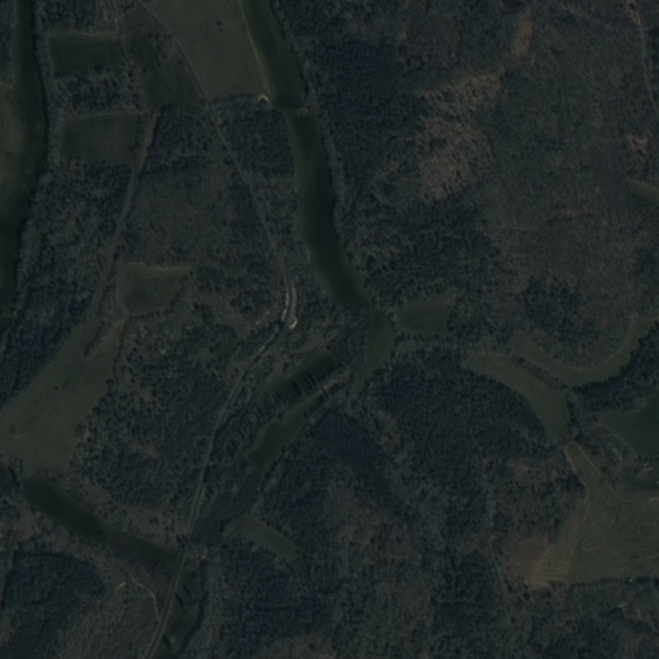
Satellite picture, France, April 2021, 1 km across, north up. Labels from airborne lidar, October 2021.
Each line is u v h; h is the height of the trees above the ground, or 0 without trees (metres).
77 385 0
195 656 16
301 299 12
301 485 15
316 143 0
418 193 19
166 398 13
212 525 8
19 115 0
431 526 15
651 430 0
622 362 0
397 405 13
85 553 7
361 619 11
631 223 13
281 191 15
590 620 13
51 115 17
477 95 16
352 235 21
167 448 10
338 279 0
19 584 17
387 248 16
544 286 10
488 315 9
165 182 13
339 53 15
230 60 0
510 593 12
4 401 13
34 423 0
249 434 16
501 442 11
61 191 9
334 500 8
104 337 15
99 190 11
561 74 17
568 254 15
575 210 11
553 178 23
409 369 8
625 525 0
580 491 15
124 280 0
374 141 11
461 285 12
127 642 12
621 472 0
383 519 8
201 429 13
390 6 18
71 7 9
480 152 17
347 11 15
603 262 18
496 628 6
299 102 0
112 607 11
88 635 11
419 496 10
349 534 8
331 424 13
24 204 0
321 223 0
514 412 13
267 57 0
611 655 7
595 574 0
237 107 20
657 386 13
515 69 20
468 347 15
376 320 0
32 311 16
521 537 6
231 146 12
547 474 13
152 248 12
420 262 15
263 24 0
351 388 8
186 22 0
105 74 13
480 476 10
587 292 14
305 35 23
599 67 19
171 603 0
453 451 12
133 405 11
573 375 0
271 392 0
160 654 0
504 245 12
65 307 13
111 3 10
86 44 0
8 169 0
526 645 13
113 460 6
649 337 7
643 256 8
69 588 17
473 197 20
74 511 0
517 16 20
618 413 9
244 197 17
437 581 14
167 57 15
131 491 12
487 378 7
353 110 13
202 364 15
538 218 17
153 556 0
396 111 7
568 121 20
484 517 11
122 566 7
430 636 7
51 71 9
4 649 11
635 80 13
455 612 11
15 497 14
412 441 10
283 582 13
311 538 10
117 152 0
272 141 22
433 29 10
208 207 10
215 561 14
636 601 13
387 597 12
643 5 15
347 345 17
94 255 8
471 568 14
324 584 8
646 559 0
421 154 12
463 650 13
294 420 0
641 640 14
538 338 17
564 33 20
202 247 12
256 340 13
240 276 12
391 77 15
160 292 0
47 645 18
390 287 15
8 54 16
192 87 0
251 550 9
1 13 16
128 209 0
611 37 18
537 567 0
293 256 23
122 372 13
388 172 9
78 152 0
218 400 16
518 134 22
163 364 11
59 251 10
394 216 14
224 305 14
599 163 14
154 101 0
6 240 0
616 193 14
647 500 0
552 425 0
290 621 15
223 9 0
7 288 0
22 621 15
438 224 14
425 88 15
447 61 8
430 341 11
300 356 7
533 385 0
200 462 15
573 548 0
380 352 0
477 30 16
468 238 14
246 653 9
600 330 8
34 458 0
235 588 7
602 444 15
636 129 8
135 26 0
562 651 7
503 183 18
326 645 11
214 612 12
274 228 10
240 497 6
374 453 15
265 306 15
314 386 6
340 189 20
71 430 0
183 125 13
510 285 11
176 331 15
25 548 15
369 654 9
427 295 16
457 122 13
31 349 16
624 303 20
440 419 8
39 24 21
